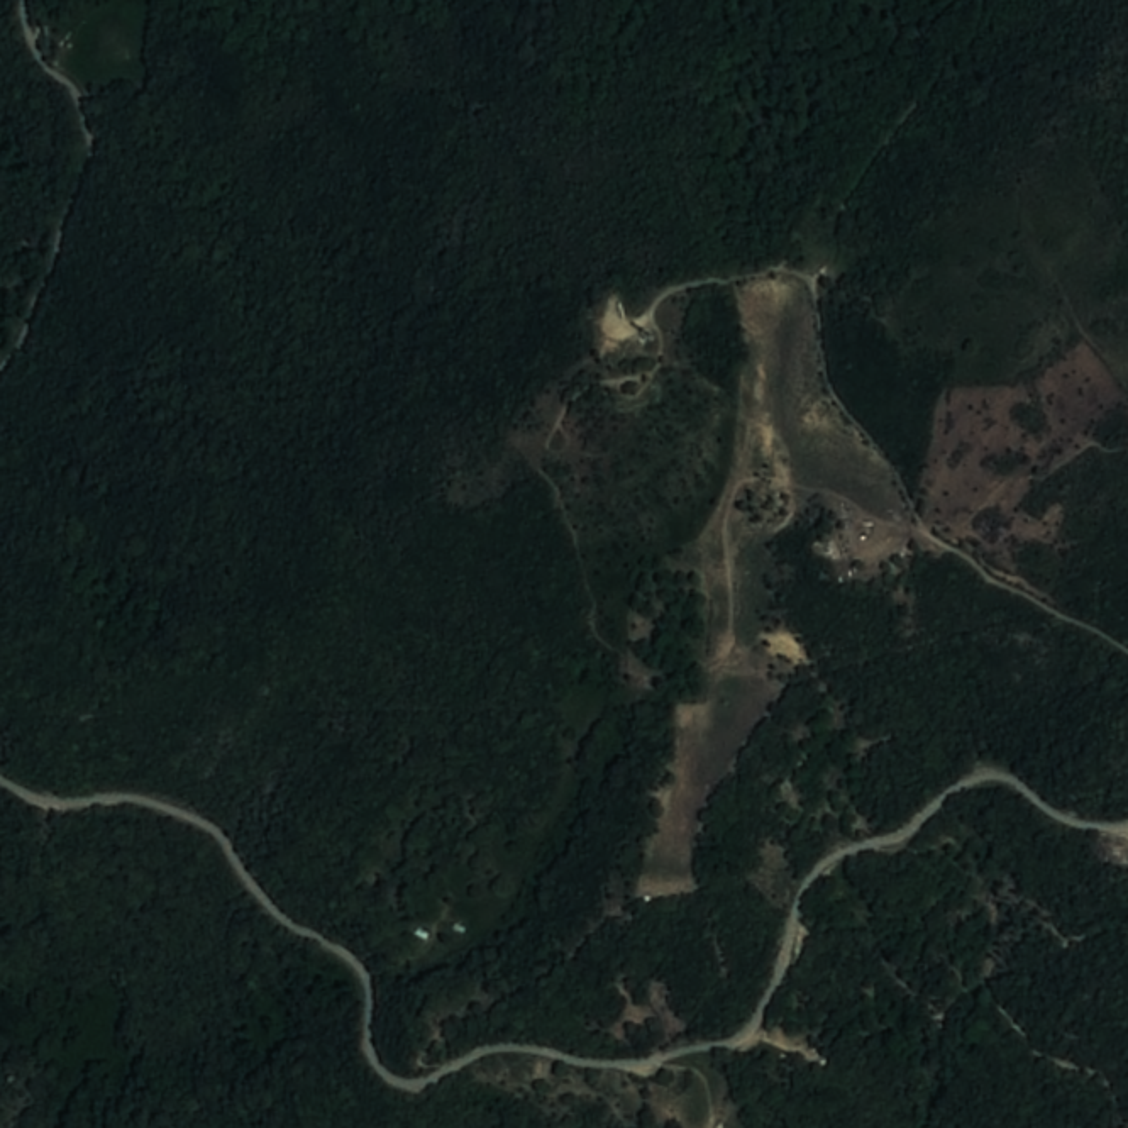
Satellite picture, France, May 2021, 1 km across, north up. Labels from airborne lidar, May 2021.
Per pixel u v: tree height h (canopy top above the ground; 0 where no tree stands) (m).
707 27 10
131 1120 8
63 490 10
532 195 9
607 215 7
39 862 14
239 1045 13
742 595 0
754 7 19
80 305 9
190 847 21
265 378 11
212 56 11
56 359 9
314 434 12
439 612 10
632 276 7
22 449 10
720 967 6
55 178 15
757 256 10
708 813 12
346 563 10
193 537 9
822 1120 10
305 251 12
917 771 7
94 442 14
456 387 9
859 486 0
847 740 16
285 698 7
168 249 7
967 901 21
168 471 15
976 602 7
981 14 12
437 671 7
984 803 15
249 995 14
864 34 22
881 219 6
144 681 7
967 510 0
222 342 9
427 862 12
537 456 0
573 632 9
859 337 5
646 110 8
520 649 11
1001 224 0
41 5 11
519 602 8
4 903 10
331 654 11
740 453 0
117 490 9
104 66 0
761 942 10
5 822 9
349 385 11
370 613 6
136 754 13
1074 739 9
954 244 0
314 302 14
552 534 8
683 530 0
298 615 11
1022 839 14
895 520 0
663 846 0
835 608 8
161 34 10
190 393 13
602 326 0
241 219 6
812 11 19
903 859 11
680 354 5
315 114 9
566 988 12
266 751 8
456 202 8
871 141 10
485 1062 7
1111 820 10
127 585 12
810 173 11
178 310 11
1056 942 8
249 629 9
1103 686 10
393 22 8
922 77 12
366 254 11
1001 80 10
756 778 14
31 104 14
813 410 0
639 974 14
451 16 7
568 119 9
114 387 8
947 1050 15
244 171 7
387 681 6
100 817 12
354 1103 11
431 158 12
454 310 10
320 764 8
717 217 11
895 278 7
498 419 7
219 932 11
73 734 6
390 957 14
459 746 11
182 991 11
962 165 7
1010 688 7
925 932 11
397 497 6
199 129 8
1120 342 0
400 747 11
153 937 16
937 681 9
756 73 23
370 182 8
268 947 13
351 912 11
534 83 8
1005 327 0
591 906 7
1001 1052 16
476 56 9
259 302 12
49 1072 16
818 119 11
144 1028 14
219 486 12
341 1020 9
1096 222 0
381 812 9
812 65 20
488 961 11
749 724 0
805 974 14
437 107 10
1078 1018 6
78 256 8
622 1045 7
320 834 14
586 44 13
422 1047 11
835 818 12
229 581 15
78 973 14
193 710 8
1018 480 0
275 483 14
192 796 8
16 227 13
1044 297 0
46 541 13
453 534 6
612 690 6
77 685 9
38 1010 14
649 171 6
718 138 14
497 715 9
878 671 11
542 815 10
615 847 6
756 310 0
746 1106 13
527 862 0
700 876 8
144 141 10
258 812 6
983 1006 15
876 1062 14
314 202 8
